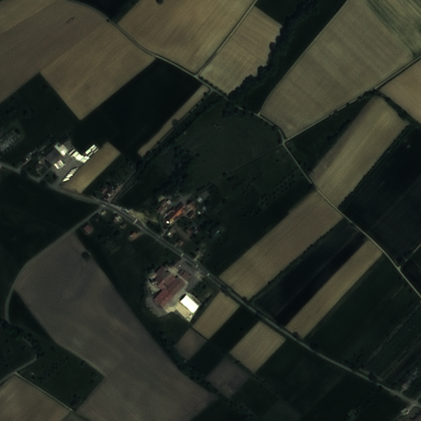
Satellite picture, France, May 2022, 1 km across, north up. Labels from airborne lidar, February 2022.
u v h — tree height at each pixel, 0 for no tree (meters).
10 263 0
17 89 0
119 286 0
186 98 0
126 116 0
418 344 0
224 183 0
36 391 0
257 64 0
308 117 0
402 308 0
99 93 0
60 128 0
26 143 0
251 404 0
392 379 0
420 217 0
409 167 0
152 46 0
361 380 0
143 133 0
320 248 0
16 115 0
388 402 0
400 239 0
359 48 0
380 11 0
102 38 0
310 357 0
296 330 0
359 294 0
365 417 0
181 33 0
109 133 0
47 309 0
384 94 0
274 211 0
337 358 0
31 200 0
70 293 0
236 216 0
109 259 0
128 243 0
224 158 0
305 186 0
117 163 0
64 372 0
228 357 6
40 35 0
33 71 0
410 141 0
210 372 0
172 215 0
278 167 0
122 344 0
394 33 0
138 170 10
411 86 0
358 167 0
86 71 0
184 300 0
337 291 0
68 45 0
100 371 0
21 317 0
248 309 0
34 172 0
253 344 0
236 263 0
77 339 0
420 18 0
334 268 0
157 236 0
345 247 0
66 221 0
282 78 0
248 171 0
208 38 0
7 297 0
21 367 0
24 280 0
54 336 0
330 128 0
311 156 0
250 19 0
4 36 0
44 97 0
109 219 0
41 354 17
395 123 0
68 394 0
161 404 0
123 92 0
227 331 0
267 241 0
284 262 0
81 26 0
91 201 0
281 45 25
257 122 0
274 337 0
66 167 0
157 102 0
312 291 0
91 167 0
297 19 22
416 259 0
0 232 0
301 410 0
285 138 0
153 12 0
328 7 0
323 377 0
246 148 0
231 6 0
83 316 0
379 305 0
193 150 0
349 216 0
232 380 0
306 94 0
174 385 0
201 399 0
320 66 0
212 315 0
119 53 0
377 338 0
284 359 0
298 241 0
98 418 0
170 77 0
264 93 0
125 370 0
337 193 0
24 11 0
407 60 0
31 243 0
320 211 0
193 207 0
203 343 0
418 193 0
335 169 0
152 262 0
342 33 0
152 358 0
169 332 0
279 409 0
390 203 0
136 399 0
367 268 0
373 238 0
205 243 0
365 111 0
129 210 0
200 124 0
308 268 0
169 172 0
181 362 17
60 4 0
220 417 0
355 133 0
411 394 0
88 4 0
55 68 0
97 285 0
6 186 0
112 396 0
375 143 0
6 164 0
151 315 0
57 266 0
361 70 0
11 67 0
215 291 0
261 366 0
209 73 0
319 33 0
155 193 12
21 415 0
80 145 0
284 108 0
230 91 0
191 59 0
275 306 0
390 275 0
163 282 0
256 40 0
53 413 0
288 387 0
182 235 0
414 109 0
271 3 0
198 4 0
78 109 0
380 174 0
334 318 0
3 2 0
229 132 0
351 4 0
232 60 0
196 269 0
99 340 0
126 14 0
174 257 0
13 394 0
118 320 0
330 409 0
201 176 0
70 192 0
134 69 0
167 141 0
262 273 0
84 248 0
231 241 0
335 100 0
